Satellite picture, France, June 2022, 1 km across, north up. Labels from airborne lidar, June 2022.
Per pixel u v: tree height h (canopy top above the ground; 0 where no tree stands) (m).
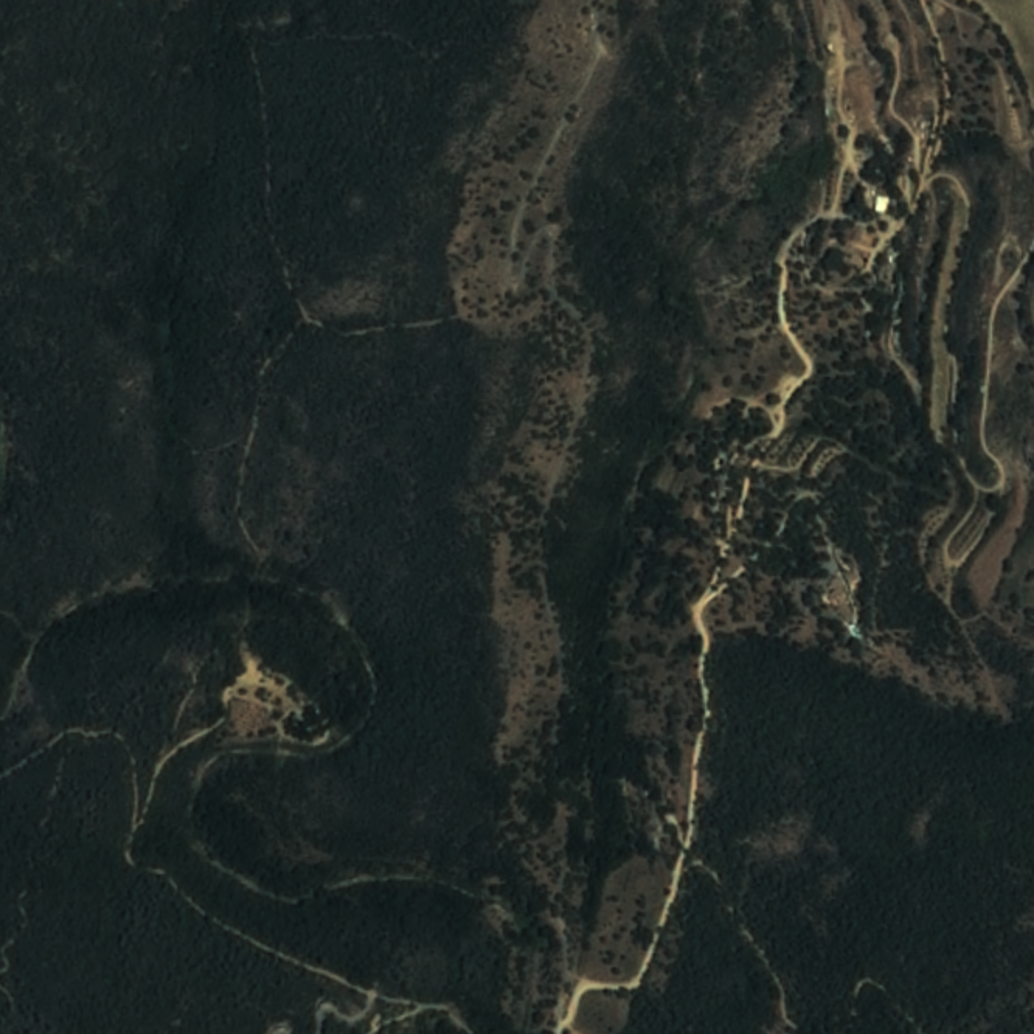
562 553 14
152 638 9
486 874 10
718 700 8
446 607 8
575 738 15
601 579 11
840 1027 10
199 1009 13
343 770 6
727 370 0
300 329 8
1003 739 8
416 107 7
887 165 10
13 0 9
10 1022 12
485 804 10
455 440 8
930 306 7
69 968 9
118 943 12
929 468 11
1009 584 0
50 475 7
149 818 8
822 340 10
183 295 12
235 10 9
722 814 8
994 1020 7
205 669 8
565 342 7
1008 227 0
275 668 7
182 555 10
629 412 9
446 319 8
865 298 9
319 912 8
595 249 10
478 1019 10
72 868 8
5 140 7
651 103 9
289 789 6
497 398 0
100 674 6
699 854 7
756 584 8
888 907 7
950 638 9
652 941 9
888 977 9
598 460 9
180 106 9
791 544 10
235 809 11
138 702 12
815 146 6
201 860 9
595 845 9
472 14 7
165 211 8
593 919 8
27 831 10
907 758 8
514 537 7
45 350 6
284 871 8
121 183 11
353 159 7
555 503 9
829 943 7
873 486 7
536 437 8
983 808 7
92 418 7
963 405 9
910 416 7
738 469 7
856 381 8
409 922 10
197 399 6
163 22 12
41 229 9
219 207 7
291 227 7
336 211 6
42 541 6
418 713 7
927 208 7
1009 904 8
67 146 12
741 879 11
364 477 7
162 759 9
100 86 10
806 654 7
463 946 14
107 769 9
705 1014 8
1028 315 7
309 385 7
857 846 8
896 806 6
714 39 7
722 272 0
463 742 9
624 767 10
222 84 7
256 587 12
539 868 6
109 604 14
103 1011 7
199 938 8
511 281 0
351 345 6
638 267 9
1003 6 0
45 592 10
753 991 10
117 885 10
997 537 0
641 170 10
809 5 5
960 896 9
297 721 8
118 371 6
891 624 10
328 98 8
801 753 7
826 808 9
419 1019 6
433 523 8
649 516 10
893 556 8
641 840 9
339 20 8
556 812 14
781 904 8
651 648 6
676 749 11
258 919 8
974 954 8
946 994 8
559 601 8
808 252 12
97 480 6
